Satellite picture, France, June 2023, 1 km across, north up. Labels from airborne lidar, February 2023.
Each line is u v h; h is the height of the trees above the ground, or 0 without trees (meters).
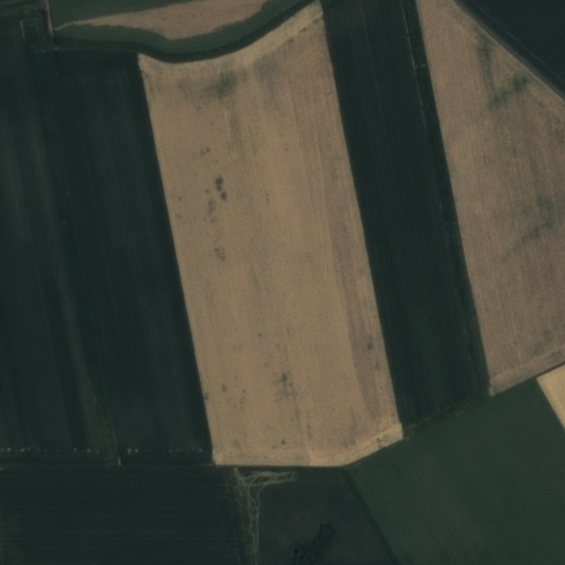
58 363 0
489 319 0
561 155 0
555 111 0
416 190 0
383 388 0
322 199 0
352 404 0
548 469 0
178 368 0
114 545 0
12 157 0
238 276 0
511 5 0
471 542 0
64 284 0
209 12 0
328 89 0
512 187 0
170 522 0
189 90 0
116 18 0
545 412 0
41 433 0
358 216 0
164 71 0
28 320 0
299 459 0
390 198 0
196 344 0
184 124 0
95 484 0
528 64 0
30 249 0
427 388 0
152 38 0
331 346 0
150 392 0
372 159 0
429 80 0
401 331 0
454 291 0
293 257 0
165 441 0
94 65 0
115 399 0
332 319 0
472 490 0
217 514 0
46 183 0
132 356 0
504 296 0
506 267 0
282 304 0
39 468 0
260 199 0
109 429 0
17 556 0
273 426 0
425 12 0
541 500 0
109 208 0
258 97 0
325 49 0
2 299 0
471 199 0
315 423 0
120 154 0
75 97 0
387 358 0
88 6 0
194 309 0
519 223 0
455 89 0
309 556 8
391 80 0
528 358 0
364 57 0
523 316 0
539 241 0
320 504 0
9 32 0
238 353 0
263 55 0
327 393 0
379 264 0
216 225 0
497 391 0
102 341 0
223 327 0
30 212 0
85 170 0
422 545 0
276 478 0
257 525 0
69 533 0
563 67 0
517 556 0
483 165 0
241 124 0
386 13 0
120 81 0
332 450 0
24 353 0
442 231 0
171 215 0
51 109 0
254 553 0
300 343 0
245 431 0
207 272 0
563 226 0
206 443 0
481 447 0
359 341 0
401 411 0
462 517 0
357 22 0
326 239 0
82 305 0
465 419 0
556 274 0
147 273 0
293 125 0
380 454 0
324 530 12
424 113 0
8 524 0
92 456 0
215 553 0
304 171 0
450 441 0
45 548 0
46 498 0
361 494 0
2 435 0
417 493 0
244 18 0
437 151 0
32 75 0
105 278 0
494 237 0
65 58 0
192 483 0
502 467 0
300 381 0
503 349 0
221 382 0
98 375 0
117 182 0
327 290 0
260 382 0
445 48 0
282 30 0
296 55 0
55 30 0
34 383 0
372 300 0
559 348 0
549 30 0
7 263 0
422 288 0
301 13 0
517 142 0
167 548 0
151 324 0
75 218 0
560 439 0
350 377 0
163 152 0
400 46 0
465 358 0
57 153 0
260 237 0
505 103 0
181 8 0
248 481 0
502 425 0
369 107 0
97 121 0
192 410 0
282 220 0
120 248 0
